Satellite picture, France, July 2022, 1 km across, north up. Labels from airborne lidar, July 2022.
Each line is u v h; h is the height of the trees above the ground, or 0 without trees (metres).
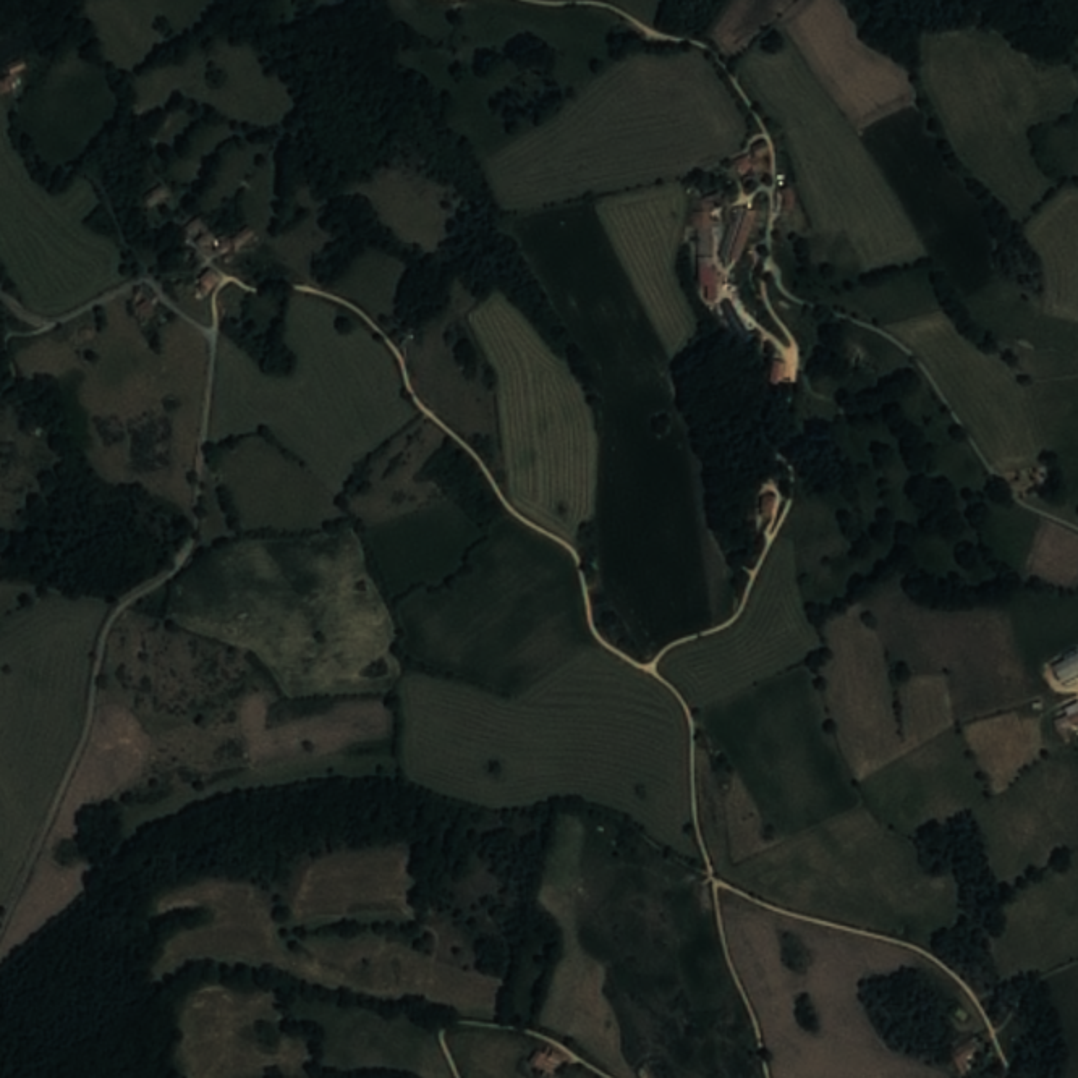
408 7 0
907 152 0
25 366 0
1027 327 0
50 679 0
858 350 0
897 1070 0
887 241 0
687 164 0
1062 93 0
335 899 0
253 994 0
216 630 0
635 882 0
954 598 24
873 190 0
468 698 0
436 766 0
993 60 0
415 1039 0
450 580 11
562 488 0
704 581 0
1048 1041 19
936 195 0
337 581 0
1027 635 0
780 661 0
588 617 0
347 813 20
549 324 8
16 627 0
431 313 15
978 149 0
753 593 0
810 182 0
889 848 0
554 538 0
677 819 0
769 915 0
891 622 0
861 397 11
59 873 0
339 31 23
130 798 13
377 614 0
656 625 0
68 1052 17
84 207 0
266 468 0
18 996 20
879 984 10
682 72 0
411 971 0
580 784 0
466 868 13
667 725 0
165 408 0
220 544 13
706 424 21
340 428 0
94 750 0
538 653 0
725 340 23
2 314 6
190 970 16
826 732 9
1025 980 12
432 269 16
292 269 0
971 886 15
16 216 0
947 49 0
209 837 23
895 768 0
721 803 0
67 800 0
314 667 0
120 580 9
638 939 0
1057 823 0
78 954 16
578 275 0
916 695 0
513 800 0
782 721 0
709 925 0
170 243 11
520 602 0
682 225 0
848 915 0
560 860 0
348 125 16
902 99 0
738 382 24
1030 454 0
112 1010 20
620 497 0
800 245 16
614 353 0
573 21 0
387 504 0
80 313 0
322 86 18
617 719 0
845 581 0
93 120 0
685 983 0
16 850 0
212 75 7
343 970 0
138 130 18
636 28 0
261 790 8
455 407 0
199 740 0
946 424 0
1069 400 0
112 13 0
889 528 18
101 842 13
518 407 0
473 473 7
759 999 0
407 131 7
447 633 0
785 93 0
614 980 0
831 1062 0
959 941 9
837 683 0
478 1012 0
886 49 14
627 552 0
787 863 0
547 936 17
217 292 0
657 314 0
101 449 0
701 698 0
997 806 0
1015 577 20
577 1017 0
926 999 11
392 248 11
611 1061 0
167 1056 23
